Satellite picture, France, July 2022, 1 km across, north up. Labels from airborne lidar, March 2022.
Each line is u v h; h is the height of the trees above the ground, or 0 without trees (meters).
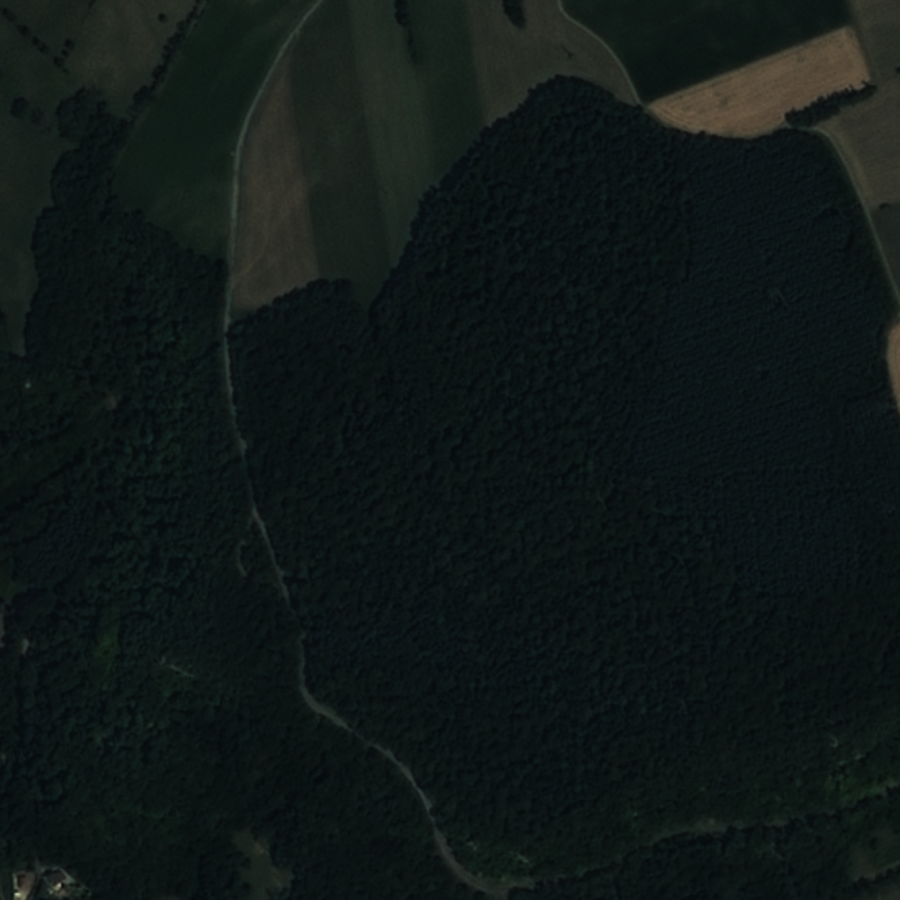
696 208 25
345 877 29
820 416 21
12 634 22
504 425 20
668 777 23
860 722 10
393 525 13
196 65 0
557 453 25
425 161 0
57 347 24
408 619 20
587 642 25
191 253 12
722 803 28
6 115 0
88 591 29
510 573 25
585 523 24
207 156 0
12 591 0
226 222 0
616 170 20
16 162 0
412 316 20
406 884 28
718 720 23
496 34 0
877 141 0
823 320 21
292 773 20
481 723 26
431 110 0
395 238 0
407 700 21
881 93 0
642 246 23
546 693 22
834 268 18
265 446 22
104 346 31
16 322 0
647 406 25
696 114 0
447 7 0
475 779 24
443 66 0
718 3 0
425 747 21
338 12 0
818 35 0
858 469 20
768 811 26
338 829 28
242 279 0
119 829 21
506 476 24
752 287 23
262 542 13
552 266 14
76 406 19
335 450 23
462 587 18
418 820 23
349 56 0
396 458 20
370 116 0
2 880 0
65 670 35
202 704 18
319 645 27
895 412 15
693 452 21
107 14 0
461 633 21
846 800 26
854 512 21
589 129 22
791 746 15
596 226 22
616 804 20
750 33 0
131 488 24
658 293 25
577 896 26
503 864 6
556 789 15
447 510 24
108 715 28
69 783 20
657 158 20
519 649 21
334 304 21
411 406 22
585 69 0
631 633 23
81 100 15
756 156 22
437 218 25
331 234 0
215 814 24
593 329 22
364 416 23
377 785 29
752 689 22
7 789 20
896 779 26
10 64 0
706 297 25
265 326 21
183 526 24
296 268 0
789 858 31
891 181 0
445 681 22
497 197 16
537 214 15
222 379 13
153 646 15
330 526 18
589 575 25
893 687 21
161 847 18
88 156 13
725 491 20
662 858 30
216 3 0
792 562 21
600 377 22
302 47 0
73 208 19
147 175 0
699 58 0
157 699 24
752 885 23
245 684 17
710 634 16
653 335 21
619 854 29
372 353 23
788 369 21
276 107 0
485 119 0
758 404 26
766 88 0
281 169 0
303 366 27
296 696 22
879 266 10
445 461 27
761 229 23
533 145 20
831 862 16
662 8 0
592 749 23
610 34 0
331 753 28
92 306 28
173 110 0
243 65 0
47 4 0
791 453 23
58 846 19
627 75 0
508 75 0
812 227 23
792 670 24
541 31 0
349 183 0
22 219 0
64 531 24
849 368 23
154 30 0
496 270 23
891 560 17
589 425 25
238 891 9
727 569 23
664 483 21
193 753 26
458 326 17
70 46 13
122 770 17
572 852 19
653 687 21
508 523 24
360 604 25
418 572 21
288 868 18
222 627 15
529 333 25
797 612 23
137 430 28
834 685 16
